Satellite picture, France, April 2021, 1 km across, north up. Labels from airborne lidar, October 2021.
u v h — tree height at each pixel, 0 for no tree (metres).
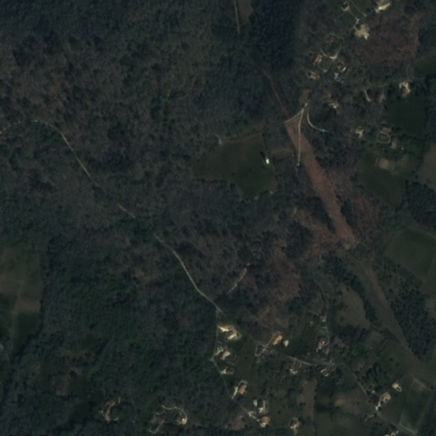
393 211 15
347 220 24
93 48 25
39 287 0
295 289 12
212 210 17
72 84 24
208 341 17
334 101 22
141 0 21
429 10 24
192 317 20
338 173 13
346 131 14
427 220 18
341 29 16
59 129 22
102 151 18
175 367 24
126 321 24
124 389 20
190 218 19
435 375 0
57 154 13
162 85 20
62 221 24
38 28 19
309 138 10
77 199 16
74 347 22
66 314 23
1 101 18
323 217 21
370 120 21
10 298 0
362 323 0
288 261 16
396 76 23
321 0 11
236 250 10
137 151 10
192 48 15
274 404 0
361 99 10
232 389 12
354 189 17
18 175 26
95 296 27
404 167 0
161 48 20
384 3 0
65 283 21
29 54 7
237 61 22
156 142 24
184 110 19
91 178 16
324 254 11
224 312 16
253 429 12
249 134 10
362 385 11
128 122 11
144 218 15
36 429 25
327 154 8
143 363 16
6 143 17
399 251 0
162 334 15
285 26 17
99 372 20
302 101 0
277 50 26
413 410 0
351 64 18
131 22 20
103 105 10
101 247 22
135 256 18
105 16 20
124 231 22
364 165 0
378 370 15
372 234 10
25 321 0
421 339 7
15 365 17
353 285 19
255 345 0
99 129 8
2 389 0
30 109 24
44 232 18
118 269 25
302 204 26
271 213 17
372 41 0
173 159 16
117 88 19
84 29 14
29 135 19
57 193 22
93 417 7
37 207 25
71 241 15
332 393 9
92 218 18
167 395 17
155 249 19
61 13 22
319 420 0
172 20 7
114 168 27
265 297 13
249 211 23
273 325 21
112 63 14
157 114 27
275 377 7
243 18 0
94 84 17
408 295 9
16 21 21
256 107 20
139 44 19
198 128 17
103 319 23
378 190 0
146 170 18
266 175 0
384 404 8
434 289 0
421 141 6
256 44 15
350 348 14
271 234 10
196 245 15
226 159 0
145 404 19
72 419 0
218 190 17
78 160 15
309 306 20
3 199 19
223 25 21
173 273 19
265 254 19
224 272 11
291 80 17
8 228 26
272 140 21
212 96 19
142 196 22
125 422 18
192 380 14
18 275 0
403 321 10
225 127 19
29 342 11
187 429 0
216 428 9
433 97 19
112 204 24
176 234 17
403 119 0
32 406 21
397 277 0
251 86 27
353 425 0
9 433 18
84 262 13
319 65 15
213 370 15
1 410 17
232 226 18
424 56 23
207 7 23
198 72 18
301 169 14
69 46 16
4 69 16
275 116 23
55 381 19
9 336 0
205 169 0
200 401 18
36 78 19
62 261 6
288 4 20
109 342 19
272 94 6
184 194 17
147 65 10
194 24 21
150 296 14
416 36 11
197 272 16
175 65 16
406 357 0
